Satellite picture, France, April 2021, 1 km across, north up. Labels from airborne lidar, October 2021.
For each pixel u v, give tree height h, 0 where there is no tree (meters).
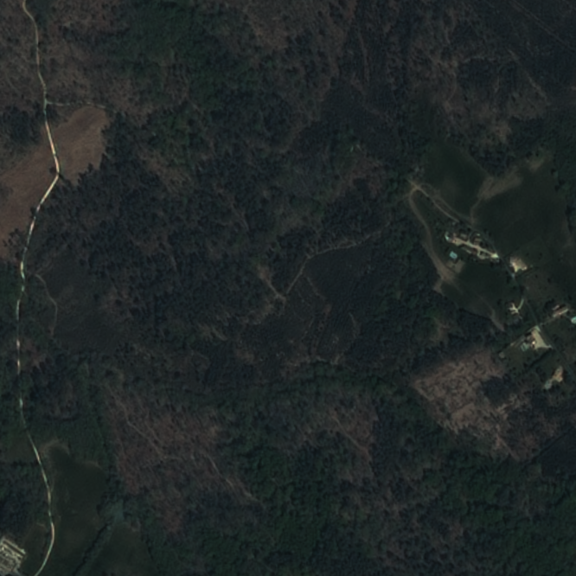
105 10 11
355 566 25
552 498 11
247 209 25
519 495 16
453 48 9
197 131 23
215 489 16
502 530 22
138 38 10
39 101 0
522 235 0
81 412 18
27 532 12
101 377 18
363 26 9
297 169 16
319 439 6
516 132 8
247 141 24
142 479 10
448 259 0
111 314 5
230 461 10
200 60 19
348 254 6
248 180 22
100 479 0
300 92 11
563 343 8
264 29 8
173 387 11
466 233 8
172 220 16
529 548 23
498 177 9
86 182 21
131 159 22
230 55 13
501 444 0
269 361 8
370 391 14
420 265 9
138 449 10
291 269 9
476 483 27
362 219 7
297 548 11
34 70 6
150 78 16
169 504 10
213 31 19
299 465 18
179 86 7
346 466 17
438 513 16
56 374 28
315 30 8
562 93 8
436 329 16
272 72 14
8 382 17
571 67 9
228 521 25
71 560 0
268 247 12
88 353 10
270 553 13
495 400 22
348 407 9
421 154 9
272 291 9
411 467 27
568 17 7
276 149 24
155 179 13
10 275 21
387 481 28
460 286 0
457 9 25
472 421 0
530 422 9
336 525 16
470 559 25
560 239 0
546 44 6
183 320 22
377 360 16
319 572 24
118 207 6
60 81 6
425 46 17
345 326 8
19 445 0
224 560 18
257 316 11
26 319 20
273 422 14
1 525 17
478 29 17
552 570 20
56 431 20
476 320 13
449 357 17
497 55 12
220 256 20
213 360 16
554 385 0
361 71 9
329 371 16
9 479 10
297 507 19
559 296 0
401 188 16
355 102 5
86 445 22
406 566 17
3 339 21
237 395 18
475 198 0
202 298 24
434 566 15
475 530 11
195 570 16
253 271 14
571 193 6
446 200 0
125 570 0
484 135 15
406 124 16
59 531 0
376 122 8
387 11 14
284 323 7
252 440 16
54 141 0
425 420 22
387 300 15
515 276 12
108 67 8
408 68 12
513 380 13
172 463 9
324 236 8
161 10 22
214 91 16
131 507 24
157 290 25
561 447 8
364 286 11
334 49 9
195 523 21
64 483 0
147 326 23
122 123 16
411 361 7
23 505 21
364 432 10
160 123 14
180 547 19
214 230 24
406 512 11
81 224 13
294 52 19
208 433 14
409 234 8
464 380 0
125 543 0
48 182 0
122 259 22
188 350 19
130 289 8
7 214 0
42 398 27
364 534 15
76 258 10
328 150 16
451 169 0
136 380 8
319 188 14
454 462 17
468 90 17
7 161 0
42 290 16
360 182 8
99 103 10
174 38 21
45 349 17
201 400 15
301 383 7
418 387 0
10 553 0
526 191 0
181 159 18
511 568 18
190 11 11
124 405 9
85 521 0
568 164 9
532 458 7
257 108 25
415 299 15
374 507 14
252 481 23
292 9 9
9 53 8
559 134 9
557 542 19
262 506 12
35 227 7
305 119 11
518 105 13
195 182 18
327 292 7
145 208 22
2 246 0
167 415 10
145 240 25
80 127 0
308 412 20
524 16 6
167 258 10
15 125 17
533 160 15
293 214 12
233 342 20
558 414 8
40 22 17
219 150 16
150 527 19
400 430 27
